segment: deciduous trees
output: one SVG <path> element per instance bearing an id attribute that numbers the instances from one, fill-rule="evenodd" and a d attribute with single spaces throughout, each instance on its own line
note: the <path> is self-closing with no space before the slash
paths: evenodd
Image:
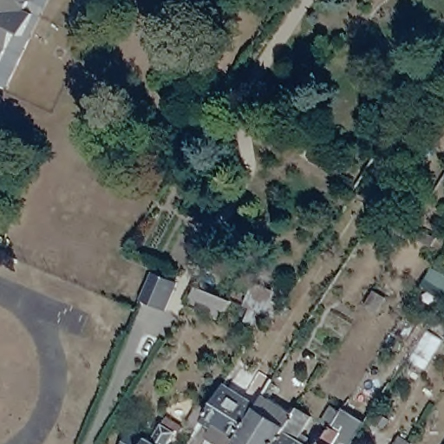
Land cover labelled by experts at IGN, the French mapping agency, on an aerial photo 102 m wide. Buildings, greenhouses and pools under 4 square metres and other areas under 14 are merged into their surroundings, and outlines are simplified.
<path id="1" fill-rule="evenodd" d="M 434 298 L 416 284 L 411 290 L 402 291 L 402 312 L 406 314 L 409 326 L 444 324 L 444 291 L 442 297 Z"/>
<path id="2" fill-rule="evenodd" d="M 279 160 L 277 160 L 276 156 L 274 156 L 274 153 L 271 153 L 271 151 L 260 151 L 260 153 L 258 153 L 258 154 L 257 154 L 257 156 L 257 160 L 258 160 L 258 163 L 260 163 L 260 165 L 264 165 L 264 166 L 277 166 L 277 165 L 279 165 Z"/>
<path id="3" fill-rule="evenodd" d="M 127 94 L 127 90 L 121 88 L 113 94 L 111 87 L 106 83 L 102 90 L 95 92 L 94 95 L 83 95 L 83 106 L 87 108 L 87 123 L 73 121 L 69 125 L 69 140 L 73 146 L 80 149 L 83 158 L 88 161 L 88 166 L 97 172 L 97 182 L 102 187 L 108 187 L 114 194 L 128 201 L 151 199 L 153 199 L 158 198 L 166 186 L 177 186 L 177 196 L 173 199 L 175 208 L 187 215 L 191 206 L 198 206 L 201 212 L 217 212 L 220 206 L 229 201 L 239 215 L 257 217 L 262 213 L 267 229 L 276 236 L 284 231 L 297 232 L 297 239 L 305 248 L 298 265 L 276 265 L 284 253 L 290 253 L 291 246 L 288 241 L 276 243 L 274 238 L 271 238 L 267 243 L 262 243 L 257 241 L 253 234 L 245 234 L 241 239 L 238 234 L 232 232 L 234 227 L 231 224 L 213 229 L 212 225 L 201 222 L 198 224 L 198 231 L 193 231 L 187 225 L 184 227 L 186 255 L 191 265 L 206 269 L 213 267 L 213 271 L 220 276 L 220 283 L 215 286 L 219 290 L 217 297 L 229 302 L 229 307 L 224 312 L 212 317 L 208 307 L 196 304 L 194 310 L 203 323 L 219 324 L 225 328 L 227 333 L 224 336 L 213 336 L 213 342 L 229 343 L 232 350 L 212 350 L 210 354 L 205 354 L 199 359 L 198 368 L 203 371 L 203 378 L 210 383 L 215 382 L 217 378 L 225 378 L 231 373 L 236 361 L 241 350 L 250 349 L 253 345 L 250 323 L 255 323 L 255 317 L 246 314 L 246 307 L 243 304 L 246 291 L 250 290 L 251 284 L 248 274 L 258 274 L 264 269 L 272 276 L 269 281 L 271 290 L 274 291 L 274 305 L 276 312 L 290 307 L 291 290 L 297 284 L 298 277 L 307 274 L 310 265 L 316 262 L 317 246 L 323 243 L 324 239 L 338 239 L 335 227 L 338 220 L 342 219 L 343 206 L 359 194 L 359 187 L 352 187 L 350 184 L 352 175 L 345 173 L 354 166 L 354 160 L 375 166 L 376 186 L 380 187 L 380 201 L 375 201 L 371 205 L 362 203 L 362 210 L 359 210 L 357 215 L 354 236 L 357 238 L 357 245 L 373 243 L 376 260 L 382 260 L 383 265 L 390 265 L 392 255 L 395 251 L 401 250 L 402 246 L 411 245 L 413 241 L 420 241 L 421 238 L 428 236 L 439 238 L 442 241 L 441 248 L 421 248 L 420 257 L 427 262 L 425 269 L 444 279 L 444 205 L 437 205 L 441 198 L 435 194 L 437 184 L 428 165 L 427 154 L 444 135 L 444 36 L 439 33 L 439 36 L 428 40 L 416 38 L 415 43 L 401 43 L 395 40 L 390 26 L 380 26 L 380 33 L 385 36 L 385 42 L 378 49 L 347 57 L 345 73 L 359 76 L 369 88 L 368 94 L 359 94 L 357 97 L 357 106 L 352 111 L 352 130 L 347 132 L 342 125 L 336 125 L 331 113 L 331 104 L 326 109 L 317 109 L 316 106 L 307 111 L 300 111 L 297 106 L 293 106 L 291 95 L 297 95 L 297 88 L 286 88 L 284 85 L 279 87 L 277 99 L 260 80 L 241 82 L 238 87 L 227 92 L 210 92 L 208 87 L 210 83 L 215 82 L 219 69 L 219 61 L 225 49 L 232 43 L 231 31 L 238 28 L 239 10 L 251 12 L 258 19 L 267 12 L 271 0 L 166 0 L 161 3 L 161 10 L 156 16 L 142 16 L 132 3 L 121 3 L 121 0 L 90 0 L 83 12 L 78 12 L 73 21 L 66 23 L 66 42 L 68 49 L 71 50 L 71 61 L 76 62 L 80 55 L 88 54 L 90 50 L 99 47 L 116 49 L 130 35 L 130 31 L 142 31 L 140 47 L 147 55 L 151 55 L 154 68 L 147 71 L 140 69 L 140 82 L 146 88 L 149 97 L 160 94 L 160 106 L 156 108 L 154 102 L 147 106 L 146 95 L 132 104 L 132 97 Z M 328 191 L 324 191 L 321 203 L 312 201 L 307 206 L 295 205 L 297 194 L 300 191 L 307 191 L 310 187 L 305 184 L 304 173 L 300 172 L 300 168 L 297 168 L 297 165 L 288 165 L 283 180 L 267 182 L 265 193 L 255 196 L 246 189 L 246 182 L 243 179 L 250 170 L 239 154 L 238 130 L 245 130 L 246 135 L 253 139 L 269 139 L 274 144 L 279 144 L 283 151 L 305 151 L 307 158 L 326 172 Z"/>
<path id="4" fill-rule="evenodd" d="M 5 236 L 10 224 L 19 219 L 24 203 L 24 187 L 28 187 L 31 180 L 38 177 L 40 166 L 45 161 L 52 160 L 54 153 L 45 130 L 33 135 L 33 140 L 29 144 L 24 144 L 23 140 L 17 139 L 12 132 L 0 130 L 0 234 Z"/>
<path id="5" fill-rule="evenodd" d="M 170 382 L 175 382 L 175 375 L 170 375 L 168 371 L 158 371 L 154 378 L 154 390 L 160 392 L 168 388 Z"/>
<path id="6" fill-rule="evenodd" d="M 290 73 L 290 62 L 276 62 L 274 59 L 269 68 L 272 75 L 276 76 L 288 76 Z"/>
<path id="7" fill-rule="evenodd" d="M 387 382 L 390 383 L 388 392 L 392 397 L 401 395 L 401 399 L 406 401 L 411 390 L 411 380 L 390 376 L 387 378 Z"/>
<path id="8" fill-rule="evenodd" d="M 198 401 L 203 395 L 201 383 L 187 383 L 184 395 L 187 399 L 191 399 L 191 402 Z"/>
<path id="9" fill-rule="evenodd" d="M 151 401 L 147 397 L 135 395 L 127 399 L 120 392 L 109 413 L 116 416 L 120 435 L 149 432 L 154 418 L 168 413 L 168 406 L 165 397 L 160 397 L 156 404 L 151 406 Z"/>
<path id="10" fill-rule="evenodd" d="M 356 437 L 350 444 L 375 444 L 375 437 L 369 432 L 369 428 L 375 425 L 380 418 L 392 415 L 394 404 L 390 397 L 380 397 L 371 402 L 373 408 L 369 409 L 364 420 L 361 420 L 361 427 L 357 428 Z"/>
<path id="11" fill-rule="evenodd" d="M 317 66 L 326 68 L 338 49 L 347 45 L 345 35 L 336 35 L 335 28 L 345 28 L 345 19 L 349 19 L 352 14 L 364 17 L 371 9 L 371 2 L 366 0 L 312 0 L 310 7 L 314 12 L 312 16 L 304 14 L 298 35 L 309 35 L 316 24 L 326 26 L 323 35 L 316 36 L 314 42 L 310 43 L 309 52 Z"/>
<path id="12" fill-rule="evenodd" d="M 144 236 L 139 231 L 132 234 L 125 243 L 121 243 L 121 251 L 125 258 L 146 265 L 147 271 L 158 271 L 163 279 L 175 281 L 179 274 L 177 269 L 173 269 L 165 260 L 139 253 L 139 246 L 144 246 Z"/>
<path id="13" fill-rule="evenodd" d="M 411 0 L 413 5 L 421 3 L 427 9 L 428 16 L 444 23 L 444 0 Z"/>

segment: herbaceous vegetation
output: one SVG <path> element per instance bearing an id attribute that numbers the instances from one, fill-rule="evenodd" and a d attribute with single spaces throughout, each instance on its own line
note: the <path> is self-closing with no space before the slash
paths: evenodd
<path id="1" fill-rule="evenodd" d="M 121 0 L 121 3 L 132 3 L 142 16 L 156 16 L 161 10 L 161 3 L 166 0 Z"/>
<path id="2" fill-rule="evenodd" d="M 371 205 L 375 201 L 380 201 L 380 187 L 376 186 L 375 166 L 354 160 L 354 166 L 345 173 L 352 175 L 350 184 L 352 187 L 359 187 L 359 194 L 343 206 L 342 219 L 338 220 L 335 227 L 338 239 L 324 239 L 323 243 L 317 246 L 316 262 L 310 265 L 307 274 L 298 277 L 297 284 L 291 290 L 290 307 L 276 312 L 274 305 L 265 312 L 258 312 L 255 317 L 255 323 L 250 323 L 253 345 L 250 349 L 241 350 L 236 361 L 245 362 L 248 371 L 262 373 L 271 380 L 269 390 L 265 394 L 267 401 L 274 402 L 286 411 L 297 409 L 300 413 L 310 416 L 314 423 L 319 415 L 323 416 L 330 408 L 340 409 L 361 420 L 364 420 L 369 409 L 373 408 L 371 402 L 380 397 L 390 397 L 394 404 L 392 415 L 380 418 L 375 425 L 380 432 L 387 434 L 388 439 L 392 439 L 395 432 L 399 432 L 399 435 L 406 437 L 411 423 L 418 418 L 425 402 L 432 399 L 435 402 L 435 409 L 428 415 L 427 427 L 421 441 L 415 442 L 415 444 L 444 444 L 444 324 L 409 326 L 406 314 L 402 312 L 402 291 L 411 290 L 416 284 L 420 272 L 425 269 L 427 262 L 420 257 L 421 248 L 441 248 L 442 241 L 439 238 L 428 236 L 421 238 L 420 241 L 413 241 L 411 245 L 402 246 L 401 250 L 395 251 L 392 255 L 390 265 L 383 265 L 382 260 L 376 260 L 373 243 L 357 245 L 357 238 L 354 236 L 357 215 L 359 210 L 362 210 L 362 203 Z M 290 340 L 293 326 L 302 321 L 305 310 L 309 309 L 310 283 L 321 283 L 333 269 L 336 269 L 338 274 L 326 286 L 321 298 L 324 312 L 321 319 L 314 324 L 305 342 L 307 349 L 312 350 L 312 357 L 302 356 L 302 352 L 293 352 L 291 359 L 284 359 L 281 352 L 284 342 Z M 425 333 L 439 338 L 442 343 L 432 362 L 427 368 L 421 369 L 411 362 L 411 354 Z M 323 388 L 323 392 L 338 399 L 335 402 L 324 402 L 314 394 L 307 394 L 302 401 L 304 404 L 297 402 L 295 397 L 305 385 L 295 376 L 293 368 L 297 362 L 305 362 L 307 373 L 312 371 L 317 362 L 323 362 L 324 373 L 317 376 L 317 387 Z M 401 399 L 401 395 L 392 397 L 388 392 L 390 383 L 387 382 L 387 378 L 390 376 L 411 380 L 411 390 L 406 401 Z"/>
<path id="3" fill-rule="evenodd" d="M 437 184 L 435 194 L 441 198 L 437 205 L 444 205 L 444 135 L 427 154 L 428 165 Z"/>
<path id="4" fill-rule="evenodd" d="M 264 269 L 258 274 L 248 274 L 251 284 L 271 290 L 269 281 L 272 276 Z"/>
<path id="5" fill-rule="evenodd" d="M 170 213 L 175 208 L 173 199 L 177 196 L 177 186 L 166 186 L 158 198 L 153 199 L 158 210 Z"/>
<path id="6" fill-rule="evenodd" d="M 9 309 L 0 305 L 0 444 L 5 444 L 28 423 L 29 416 L 38 402 L 40 359 L 35 342 L 23 323 Z"/>
<path id="7" fill-rule="evenodd" d="M 284 85 L 286 88 L 297 88 L 309 85 L 309 73 L 316 75 L 316 83 L 331 85 L 331 99 L 317 102 L 316 106 L 317 109 L 326 109 L 331 104 L 331 113 L 336 125 L 342 125 L 347 132 L 352 130 L 352 111 L 357 106 L 357 97 L 359 94 L 368 94 L 369 88 L 359 76 L 345 73 L 347 57 L 378 49 L 385 42 L 385 36 L 380 33 L 380 26 L 364 17 L 352 14 L 349 19 L 345 19 L 345 28 L 335 28 L 336 35 L 345 35 L 347 45 L 338 49 L 326 68 L 317 66 L 309 52 L 310 43 L 314 42 L 316 36 L 323 35 L 326 26 L 316 24 L 309 35 L 298 35 L 291 36 L 286 43 L 276 45 L 272 54 L 274 59 L 276 62 L 290 62 L 290 73 L 288 76 L 276 76 L 272 75 L 269 68 L 265 68 L 258 61 L 248 59 L 246 64 L 238 68 L 236 78 L 241 82 L 260 80 L 277 99 L 279 87 Z"/>
<path id="8" fill-rule="evenodd" d="M 144 212 L 151 199 L 128 201 L 114 194 L 108 187 L 102 187 L 97 182 L 97 172 L 88 166 L 88 161 L 83 158 L 80 149 L 73 146 L 69 140 L 69 125 L 73 121 L 87 123 L 87 108 L 83 106 L 83 95 L 94 95 L 95 92 L 102 90 L 106 83 L 111 87 L 113 94 L 121 88 L 127 90 L 127 94 L 132 97 L 132 104 L 146 95 L 147 106 L 154 102 L 156 108 L 160 106 L 160 94 L 149 97 L 146 88 L 140 82 L 140 69 L 147 71 L 154 68 L 151 55 L 147 55 L 140 47 L 142 31 L 130 31 L 130 35 L 116 49 L 99 47 L 90 50 L 88 54 L 80 55 L 76 62 L 71 61 L 71 50 L 68 49 L 66 42 L 66 23 L 73 21 L 78 12 L 83 12 L 90 0 L 49 0 L 33 35 L 29 35 L 28 49 L 17 68 L 14 80 L 9 88 L 0 90 L 0 130 L 12 132 L 17 139 L 23 140 L 24 144 L 29 144 L 33 140 L 33 135 L 45 130 L 54 153 L 52 160 L 45 161 L 40 166 L 38 177 L 31 180 L 28 187 L 24 187 L 24 203 L 19 219 L 10 224 L 5 236 L 0 234 L 0 276 L 36 291 L 43 297 L 49 297 L 54 302 L 68 304 L 71 310 L 83 310 L 88 314 L 87 321 L 78 335 L 66 330 L 59 330 L 57 335 L 64 352 L 62 369 L 66 371 L 66 378 L 62 385 L 61 409 L 47 439 L 42 444 L 73 444 L 85 409 L 97 387 L 99 368 L 102 359 L 108 354 L 114 331 L 125 323 L 128 316 L 125 305 L 111 300 L 113 293 L 132 298 L 137 293 L 144 272 L 147 271 L 146 265 L 125 258 L 121 251 L 121 243 L 125 243 L 132 234 L 139 231 L 139 225 L 146 220 Z"/>
<path id="9" fill-rule="evenodd" d="M 411 0 L 397 0 L 390 26 L 395 40 L 401 43 L 415 43 L 416 38 L 428 40 L 439 36 L 439 33 L 444 36 L 444 23 L 428 16 L 427 9 L 421 3 L 413 5 Z"/>
<path id="10" fill-rule="evenodd" d="M 310 187 L 307 191 L 300 191 L 297 194 L 295 205 L 307 206 L 312 201 L 321 203 L 324 191 L 328 191 L 326 172 L 307 158 L 305 151 L 283 151 L 279 144 L 274 144 L 269 139 L 253 139 L 253 153 L 257 156 L 257 154 L 258 154 L 258 153 L 260 153 L 260 151 L 271 151 L 271 153 L 274 153 L 274 156 L 276 156 L 277 160 L 279 160 L 279 165 L 277 165 L 277 166 L 264 166 L 264 165 L 260 165 L 258 170 L 250 170 L 243 179 L 246 182 L 246 189 L 255 196 L 265 193 L 267 182 L 283 180 L 288 165 L 297 165 L 297 168 L 300 168 L 300 172 L 304 173 L 305 184 Z"/>
<path id="11" fill-rule="evenodd" d="M 205 408 L 206 402 L 212 399 L 215 390 L 222 383 L 229 385 L 232 382 L 225 378 L 217 378 L 215 382 L 210 383 L 203 378 L 203 371 L 198 368 L 199 359 L 205 354 L 210 354 L 212 350 L 232 350 L 229 343 L 213 342 L 213 336 L 224 336 L 227 333 L 225 328 L 219 324 L 203 323 L 196 328 L 182 326 L 179 333 L 172 336 L 175 347 L 163 359 L 154 359 L 149 364 L 139 385 L 135 387 L 135 395 L 147 397 L 151 401 L 151 406 L 156 404 L 160 397 L 165 397 L 168 406 L 187 399 L 184 395 L 187 383 L 201 383 L 203 395 L 198 401 L 199 408 Z M 170 382 L 168 388 L 160 392 L 154 390 L 154 378 L 158 371 L 168 371 L 170 375 L 175 375 L 175 382 Z"/>
<path id="12" fill-rule="evenodd" d="M 229 201 L 220 206 L 217 212 L 201 212 L 198 206 L 191 206 L 187 215 L 187 225 L 193 231 L 198 231 L 198 224 L 201 222 L 212 225 L 213 229 L 231 224 L 234 227 L 232 232 L 238 234 L 241 239 L 245 234 L 253 234 L 257 241 L 262 243 L 267 243 L 271 238 L 274 238 L 276 243 L 288 241 L 291 246 L 290 253 L 284 253 L 276 265 L 298 265 L 305 248 L 297 239 L 297 232 L 284 231 L 276 236 L 267 229 L 262 213 L 257 217 L 239 215 Z"/>
<path id="13" fill-rule="evenodd" d="M 219 61 L 219 69 L 225 71 L 229 68 L 229 64 L 238 54 L 239 47 L 255 33 L 260 24 L 258 19 L 251 12 L 239 10 L 238 28 L 231 31 L 232 43 L 225 49 Z"/>

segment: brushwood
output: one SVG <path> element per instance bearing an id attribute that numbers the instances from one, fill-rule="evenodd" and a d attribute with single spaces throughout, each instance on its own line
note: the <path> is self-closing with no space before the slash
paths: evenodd
<path id="1" fill-rule="evenodd" d="M 95 434 L 94 444 L 114 444 L 116 437 L 120 435 L 116 416 L 109 413 Z"/>
<path id="2" fill-rule="evenodd" d="M 114 331 L 108 354 L 102 359 L 99 368 L 97 387 L 85 409 L 73 444 L 83 444 L 88 428 L 97 415 L 102 397 L 108 390 L 114 366 L 134 326 L 135 317 L 139 314 L 139 305 L 135 304 L 132 298 L 113 293 L 111 300 L 125 305 L 128 316 L 125 323 Z"/>
<path id="3" fill-rule="evenodd" d="M 305 385 L 295 397 L 297 402 L 304 404 L 302 401 L 307 394 L 314 394 L 324 402 L 335 402 L 338 399 L 323 392 L 323 388 L 317 387 L 317 376 L 324 373 L 323 362 L 317 362 L 312 371 L 307 373 L 305 362 L 297 362 L 293 368 L 295 376 Z"/>
<path id="4" fill-rule="evenodd" d="M 264 52 L 262 43 L 271 40 L 279 24 L 283 23 L 284 16 L 290 12 L 291 7 L 297 5 L 298 0 L 271 0 L 267 12 L 258 19 L 260 24 L 255 33 L 239 47 L 238 54 L 229 64 L 229 68 L 225 71 L 219 69 L 215 82 L 210 83 L 208 87 L 210 92 L 227 92 L 238 87 L 241 82 L 236 78 L 238 68 L 246 64 L 248 59 L 258 61 L 260 54 Z"/>
<path id="5" fill-rule="evenodd" d="M 158 335 L 149 354 L 142 357 L 140 364 L 135 364 L 132 375 L 128 376 L 120 392 L 127 399 L 135 395 L 135 387 L 139 385 L 149 364 L 154 359 L 163 359 L 175 347 L 172 336 L 179 333 L 182 326 L 196 328 L 203 323 L 194 310 L 196 304 L 189 302 L 191 291 L 205 290 L 205 284 L 215 286 L 220 283 L 220 276 L 213 271 L 213 267 L 206 269 L 191 265 L 186 255 L 177 260 L 177 269 L 179 274 L 184 272 L 189 276 L 189 283 L 180 297 L 180 310 L 175 314 L 172 323 L 166 326 L 165 331 Z"/>
<path id="6" fill-rule="evenodd" d="M 411 423 L 406 437 L 406 442 L 415 442 L 421 441 L 427 427 L 428 415 L 435 409 L 435 402 L 432 399 L 425 402 L 418 418 Z"/>
<path id="7" fill-rule="evenodd" d="M 305 310 L 302 321 L 293 326 L 290 340 L 284 342 L 281 352 L 284 359 L 291 359 L 293 352 L 302 352 L 302 356 L 312 357 L 312 350 L 307 349 L 305 342 L 314 324 L 321 319 L 324 312 L 321 298 L 326 286 L 338 274 L 336 269 L 333 269 L 321 283 L 310 283 L 309 309 Z"/>

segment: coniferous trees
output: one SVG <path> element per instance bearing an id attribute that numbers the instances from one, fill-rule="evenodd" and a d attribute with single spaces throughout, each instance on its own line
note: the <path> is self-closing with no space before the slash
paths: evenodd
<path id="1" fill-rule="evenodd" d="M 309 73 L 309 85 L 297 88 L 297 95 L 291 95 L 293 106 L 297 106 L 300 111 L 307 111 L 316 106 L 317 102 L 331 99 L 331 85 L 316 83 L 316 75 Z"/>

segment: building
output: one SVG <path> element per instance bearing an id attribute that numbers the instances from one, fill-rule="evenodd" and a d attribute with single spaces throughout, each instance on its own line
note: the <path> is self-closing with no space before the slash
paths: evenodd
<path id="1" fill-rule="evenodd" d="M 442 343 L 439 338 L 425 333 L 411 354 L 411 362 L 421 369 L 427 368 L 432 362 Z"/>
<path id="2" fill-rule="evenodd" d="M 17 68 L 28 49 L 29 35 L 33 35 L 49 0 L 0 0 L 0 90 L 9 88 L 14 80 Z"/>
<path id="3" fill-rule="evenodd" d="M 297 409 L 286 411 L 274 402 L 267 401 L 265 394 L 257 388 L 253 394 L 248 394 L 245 388 L 238 387 L 232 382 L 229 385 L 222 383 L 215 390 L 212 399 L 206 402 L 205 408 L 199 408 L 199 432 L 212 444 L 350 444 L 356 437 L 357 428 L 361 427 L 361 420 L 340 409 L 330 408 L 323 416 L 319 415 L 314 423 L 310 416 L 300 413 Z"/>
<path id="4" fill-rule="evenodd" d="M 158 271 L 147 271 L 144 272 L 137 293 L 132 298 L 135 304 L 139 305 L 146 304 L 153 309 L 163 309 L 175 281 L 163 279 Z"/>
<path id="5" fill-rule="evenodd" d="M 406 437 L 399 435 L 395 444 L 415 444 L 415 442 L 406 442 Z"/>
<path id="6" fill-rule="evenodd" d="M 172 444 L 177 439 L 175 430 L 182 425 L 179 418 L 168 413 L 154 418 L 149 432 L 120 435 L 116 437 L 114 444 Z"/>
<path id="7" fill-rule="evenodd" d="M 205 284 L 205 290 L 191 291 L 189 302 L 196 304 L 208 307 L 212 317 L 224 312 L 229 307 L 229 302 L 217 297 L 219 290 L 215 286 Z"/>
<path id="8" fill-rule="evenodd" d="M 416 284 L 434 298 L 442 297 L 444 291 L 444 279 L 425 269 L 420 272 Z"/>
<path id="9" fill-rule="evenodd" d="M 246 314 L 255 317 L 258 312 L 265 312 L 274 305 L 274 291 L 271 290 L 251 284 L 250 290 L 246 291 L 243 304 L 246 307 Z"/>

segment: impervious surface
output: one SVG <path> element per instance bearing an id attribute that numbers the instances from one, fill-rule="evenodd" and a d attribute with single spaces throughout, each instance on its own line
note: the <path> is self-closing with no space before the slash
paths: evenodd
<path id="1" fill-rule="evenodd" d="M 397 0 L 366 0 L 371 2 L 371 9 L 364 17 L 380 26 L 390 26 Z"/>
<path id="2" fill-rule="evenodd" d="M 168 413 L 179 418 L 182 425 L 175 430 L 177 439 L 172 444 L 212 444 L 199 432 L 199 408 L 198 401 L 191 402 L 191 399 L 187 399 L 168 406 Z"/>
<path id="3" fill-rule="evenodd" d="M 189 283 L 189 276 L 184 272 L 179 274 L 175 281 L 163 309 L 153 309 L 146 304 L 139 305 L 139 314 L 135 317 L 134 326 L 114 366 L 108 390 L 102 397 L 97 415 L 88 428 L 83 444 L 94 444 L 95 434 L 109 413 L 120 392 L 128 376 L 132 375 L 135 364 L 140 364 L 142 357 L 149 354 L 158 335 L 165 331 L 166 326 L 172 323 L 175 314 L 180 310 L 180 297 Z"/>
<path id="4" fill-rule="evenodd" d="M 253 153 L 253 139 L 246 135 L 245 130 L 238 130 L 239 154 L 250 170 L 258 170 L 260 165 L 260 163 L 258 163 L 258 160 L 257 160 L 257 156 Z"/>
<path id="5" fill-rule="evenodd" d="M 312 16 L 314 12 L 310 7 L 312 0 L 298 0 L 297 5 L 291 7 L 290 12 L 284 16 L 283 23 L 279 24 L 271 40 L 262 43 L 264 52 L 260 54 L 258 61 L 265 68 L 269 68 L 274 59 L 272 54 L 276 45 L 286 43 L 291 36 L 298 35 L 304 14 Z"/>
<path id="6" fill-rule="evenodd" d="M 29 416 L 28 423 L 5 444 L 42 444 L 47 439 L 61 409 L 62 385 L 66 378 L 66 371 L 62 369 L 64 352 L 57 335 L 59 330 L 66 330 L 78 335 L 87 321 L 88 314 L 83 310 L 71 310 L 68 304 L 54 302 L 49 297 L 43 297 L 36 291 L 0 276 L 0 305 L 9 309 L 23 323 L 35 342 L 40 359 L 38 402 Z"/>
<path id="7" fill-rule="evenodd" d="M 392 439 L 388 439 L 387 434 L 380 432 L 375 425 L 369 428 L 369 432 L 375 437 L 375 444 L 395 444 L 399 435 L 399 432 L 395 432 Z"/>
<path id="8" fill-rule="evenodd" d="M 232 382 L 238 387 L 245 388 L 248 394 L 253 394 L 257 388 L 265 394 L 269 390 L 271 380 L 262 373 L 248 371 L 245 362 L 236 361 L 231 373 L 225 378 Z"/>

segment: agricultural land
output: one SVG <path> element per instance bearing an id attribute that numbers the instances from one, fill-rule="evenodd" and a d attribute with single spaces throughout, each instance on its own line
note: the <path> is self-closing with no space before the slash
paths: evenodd
<path id="1" fill-rule="evenodd" d="M 187 215 L 175 208 L 170 213 L 158 210 L 153 199 L 151 199 L 144 212 L 146 220 L 139 225 L 139 231 L 144 236 L 144 246 L 139 246 L 139 253 L 165 260 L 173 269 L 177 269 L 177 260 L 186 255 L 184 227 L 187 225 Z"/>

